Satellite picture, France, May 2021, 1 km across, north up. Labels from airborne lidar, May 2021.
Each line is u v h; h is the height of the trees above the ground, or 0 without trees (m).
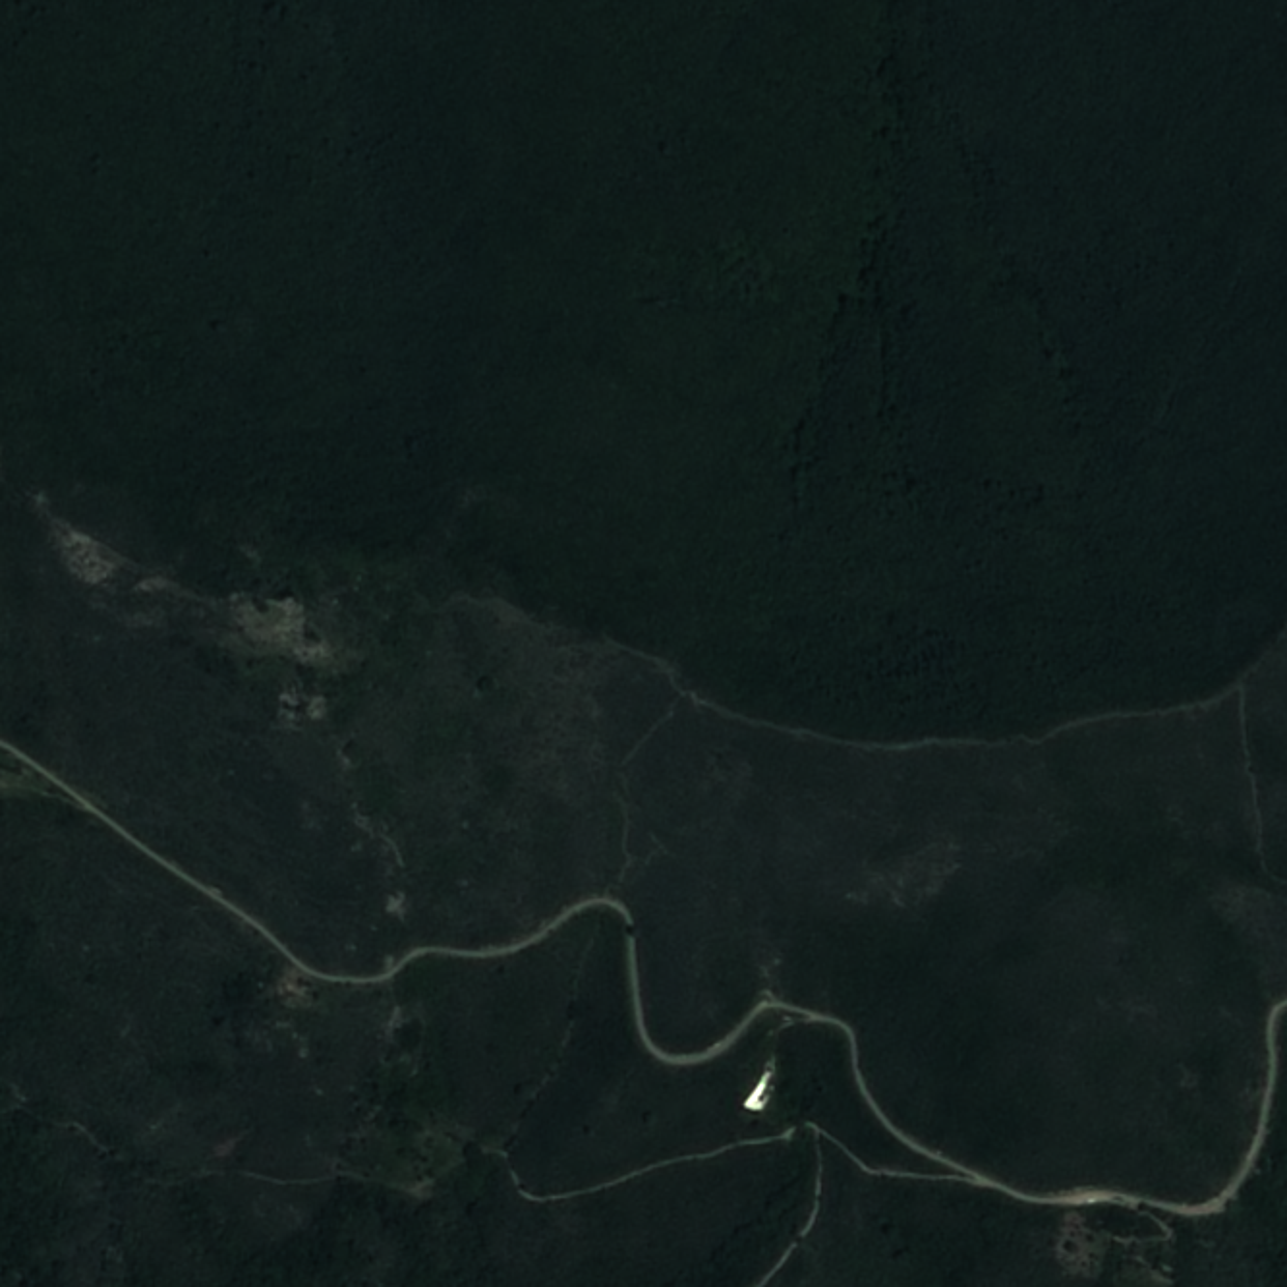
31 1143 9
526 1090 15
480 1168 12
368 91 6
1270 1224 9
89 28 6
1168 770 0
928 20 12
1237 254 5
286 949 0
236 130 8
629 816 0
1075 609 6
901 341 7
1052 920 0
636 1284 7
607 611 6
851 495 6
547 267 6
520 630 0
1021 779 0
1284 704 0
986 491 6
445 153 6
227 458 7
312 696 7
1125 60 6
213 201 8
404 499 7
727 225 6
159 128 6
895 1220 7
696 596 6
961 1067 6
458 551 6
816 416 12
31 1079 6
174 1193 8
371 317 7
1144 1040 0
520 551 5
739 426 7
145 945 7
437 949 0
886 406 10
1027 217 7
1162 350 6
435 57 5
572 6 6
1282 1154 10
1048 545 7
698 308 8
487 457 5
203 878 0
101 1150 8
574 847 0
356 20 7
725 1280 7
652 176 6
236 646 0
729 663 5
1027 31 6
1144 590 7
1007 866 0
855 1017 6
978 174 11
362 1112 10
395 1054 6
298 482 8
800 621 8
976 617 6
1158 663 6
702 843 0
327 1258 8
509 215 5
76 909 12
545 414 5
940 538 7
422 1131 10
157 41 6
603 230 6
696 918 0
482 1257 11
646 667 0
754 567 6
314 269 6
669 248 6
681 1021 0
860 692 7
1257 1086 10
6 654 7
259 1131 5
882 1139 6
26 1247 13
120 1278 11
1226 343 5
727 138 7
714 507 5
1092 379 6
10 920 7
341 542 6
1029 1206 9
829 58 8
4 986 7
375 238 5
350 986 6
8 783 0
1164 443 5
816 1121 7
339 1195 11
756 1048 6
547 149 6
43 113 6
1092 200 6
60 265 6
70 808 6
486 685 11
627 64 6
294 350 6
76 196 6
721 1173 5
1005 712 5
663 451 6
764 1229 11
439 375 6
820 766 0
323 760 0
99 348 10
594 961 6
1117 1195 0
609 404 6
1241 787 0
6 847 6
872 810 0
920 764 0
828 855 0
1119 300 8
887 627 7
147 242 6
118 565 0
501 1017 6
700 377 7
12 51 5
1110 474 8
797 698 6
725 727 0
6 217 5
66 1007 6
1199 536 6
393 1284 6
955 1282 6
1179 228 6
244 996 7
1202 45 6
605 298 7
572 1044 6
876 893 0
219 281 6
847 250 7
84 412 6
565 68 6
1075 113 5
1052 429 6
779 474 9
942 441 6
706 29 7
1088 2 8
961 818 0
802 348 11
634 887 0
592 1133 12
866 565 7
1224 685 6
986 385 6
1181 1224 7
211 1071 6
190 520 6
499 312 5
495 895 0
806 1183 8
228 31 8
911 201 8
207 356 6
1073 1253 14
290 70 6
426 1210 9
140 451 7
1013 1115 6
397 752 0
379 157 6
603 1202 6
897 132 11
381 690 7
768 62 7
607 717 0
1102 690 6
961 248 6
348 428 6
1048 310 9
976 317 6
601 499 6
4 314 5
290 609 0
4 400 6
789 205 6
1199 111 6
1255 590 6
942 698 8
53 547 0
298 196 7
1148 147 6
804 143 5
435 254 6
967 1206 8
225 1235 10
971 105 6
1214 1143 6
